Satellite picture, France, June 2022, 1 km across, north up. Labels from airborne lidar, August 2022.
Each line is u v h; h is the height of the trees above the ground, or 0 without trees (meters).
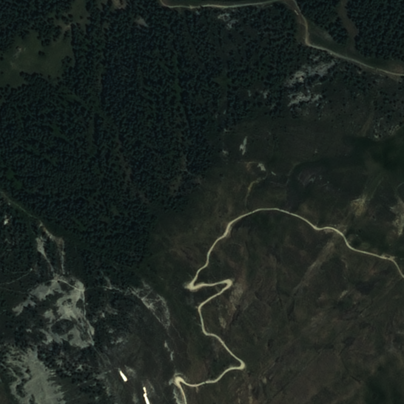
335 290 0
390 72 0
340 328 0
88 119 25
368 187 0
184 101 6
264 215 0
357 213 0
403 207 0
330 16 16
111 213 17
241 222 0
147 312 0
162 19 21
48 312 0
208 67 19
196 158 10
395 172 0
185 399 0
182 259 0
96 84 8
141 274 0
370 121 0
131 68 15
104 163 22
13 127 22
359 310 0
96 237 25
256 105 11
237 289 0
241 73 13
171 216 0
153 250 0
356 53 0
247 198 0
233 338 0
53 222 6
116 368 0
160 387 0
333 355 0
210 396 0
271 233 0
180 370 0
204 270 0
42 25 18
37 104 20
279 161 0
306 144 0
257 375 0
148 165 17
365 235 0
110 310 0
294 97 10
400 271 0
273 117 7
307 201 0
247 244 0
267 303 0
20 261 10
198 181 0
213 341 0
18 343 7
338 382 0
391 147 0
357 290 0
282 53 24
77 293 0
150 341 0
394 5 14
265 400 0
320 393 0
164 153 18
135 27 16
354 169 0
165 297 0
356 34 0
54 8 26
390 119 9
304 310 0
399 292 0
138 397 0
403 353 0
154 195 15
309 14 24
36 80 19
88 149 28
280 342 0
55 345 7
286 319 0
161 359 0
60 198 27
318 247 0
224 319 0
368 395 0
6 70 0
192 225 0
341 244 0
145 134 23
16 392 0
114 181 22
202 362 0
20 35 16
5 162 15
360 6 22
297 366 0
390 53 15
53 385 0
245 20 9
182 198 8
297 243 0
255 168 0
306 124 0
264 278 0
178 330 0
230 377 0
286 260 0
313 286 0
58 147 10
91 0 26
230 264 0
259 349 0
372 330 0
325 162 0
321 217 0
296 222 0
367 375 0
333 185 0
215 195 0
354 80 7
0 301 9
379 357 0
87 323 0
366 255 0
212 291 0
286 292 0
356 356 0
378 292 0
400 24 15
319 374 0
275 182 0
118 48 22
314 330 0
